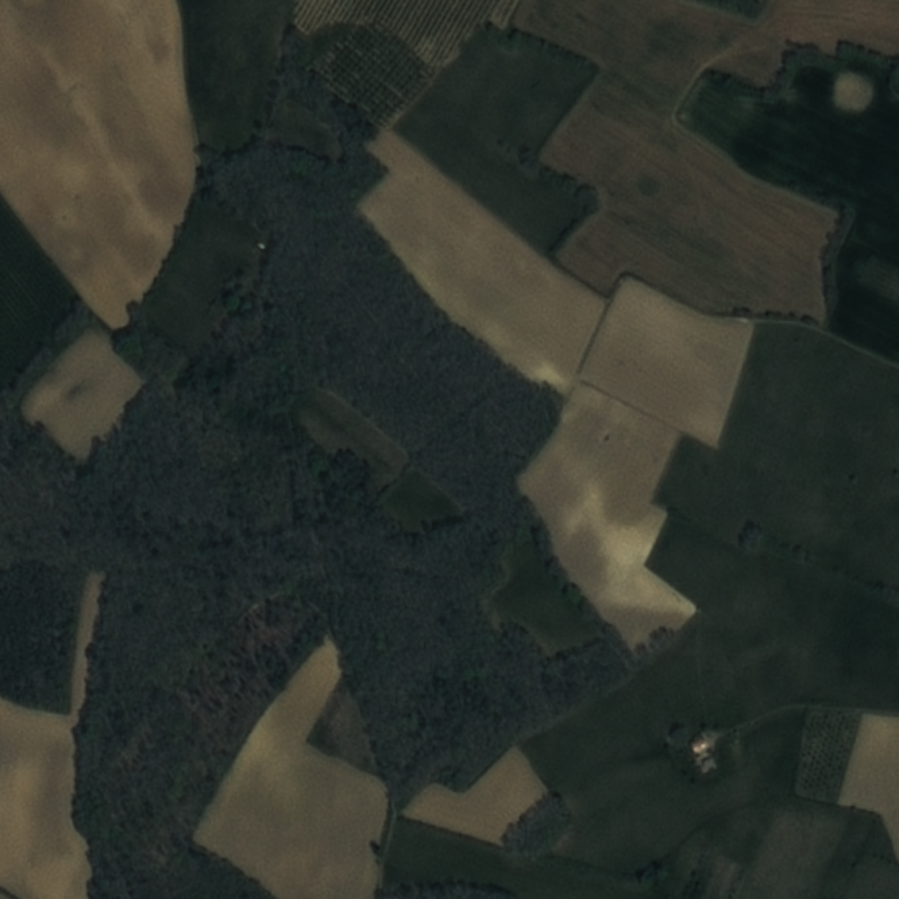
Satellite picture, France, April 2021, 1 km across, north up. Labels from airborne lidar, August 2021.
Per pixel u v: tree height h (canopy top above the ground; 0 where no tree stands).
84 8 0
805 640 0
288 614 11
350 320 19
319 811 0
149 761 18
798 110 0
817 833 0
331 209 20
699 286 0
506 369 17
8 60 0
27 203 0
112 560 20
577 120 0
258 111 0
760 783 0
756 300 0
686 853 0
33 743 0
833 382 0
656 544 0
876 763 0
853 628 0
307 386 20
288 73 13
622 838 0
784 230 0
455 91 0
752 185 0
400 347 15
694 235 0
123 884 9
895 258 0
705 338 0
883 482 0
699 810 0
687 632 0
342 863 0
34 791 0
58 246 0
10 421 19
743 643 0
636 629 0
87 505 19
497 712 17
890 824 0
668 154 0
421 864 0
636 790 0
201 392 20
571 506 0
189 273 0
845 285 0
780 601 0
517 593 0
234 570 20
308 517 16
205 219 0
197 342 0
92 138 0
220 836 0
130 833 20
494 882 0
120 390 0
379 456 0
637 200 0
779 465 0
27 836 0
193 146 0
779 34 0
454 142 0
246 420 8
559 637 0
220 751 16
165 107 0
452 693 27
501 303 0
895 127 0
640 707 0
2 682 12
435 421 21
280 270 19
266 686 10
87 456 0
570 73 0
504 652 24
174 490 19
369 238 19
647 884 16
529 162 18
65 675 12
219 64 0
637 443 0
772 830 0
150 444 19
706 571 0
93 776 19
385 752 21
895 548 0
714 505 0
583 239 0
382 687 21
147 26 0
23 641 12
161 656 22
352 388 19
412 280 12
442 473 16
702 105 0
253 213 22
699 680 0
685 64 0
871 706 0
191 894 8
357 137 17
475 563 22
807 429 0
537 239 0
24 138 0
